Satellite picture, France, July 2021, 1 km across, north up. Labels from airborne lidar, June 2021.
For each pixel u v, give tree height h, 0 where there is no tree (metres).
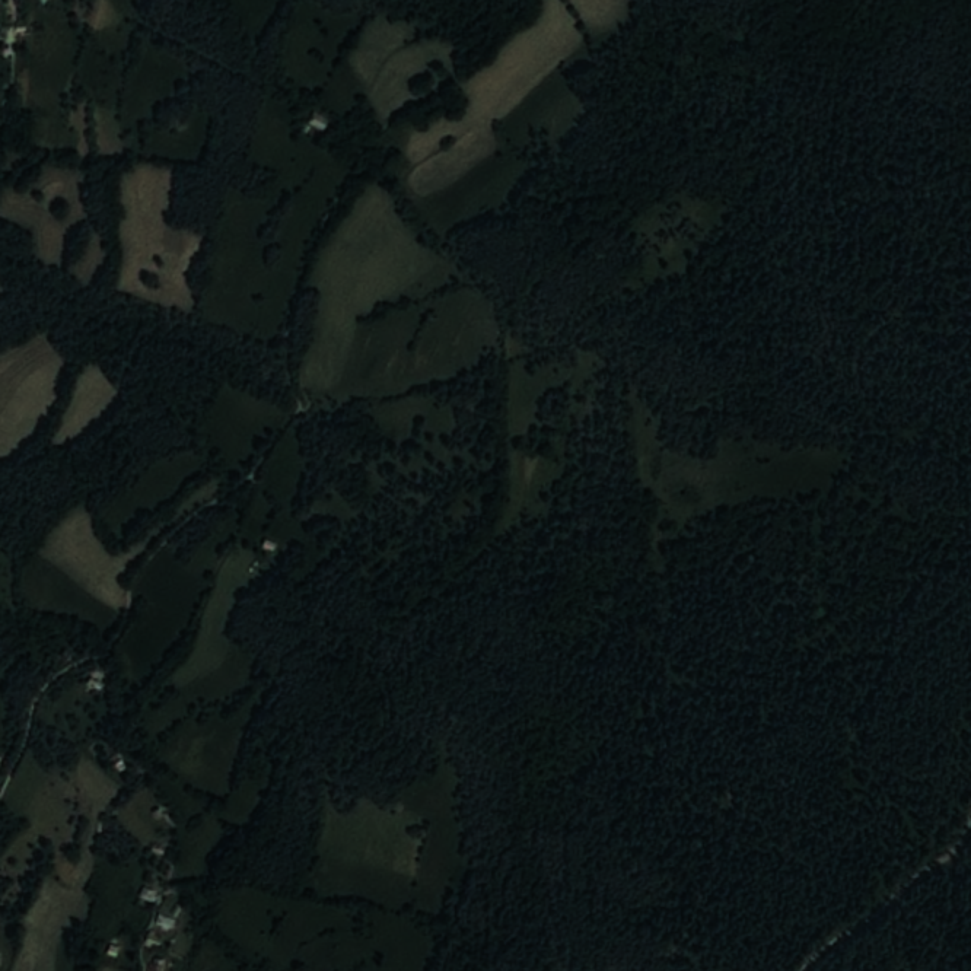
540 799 12
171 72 0
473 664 27
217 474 11
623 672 30
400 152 14
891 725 21
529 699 30
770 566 16
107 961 0
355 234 0
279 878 16
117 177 19
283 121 0
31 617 11
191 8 18
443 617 17
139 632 0
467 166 0
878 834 22
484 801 11
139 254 0
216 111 14
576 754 10
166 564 0
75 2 12
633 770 21
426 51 0
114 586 0
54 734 12
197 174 20
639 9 13
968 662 18
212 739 0
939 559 15
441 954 17
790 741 19
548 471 0
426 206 0
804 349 9
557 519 12
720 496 0
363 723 25
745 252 17
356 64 0
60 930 0
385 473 15
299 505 12
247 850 20
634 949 18
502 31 14
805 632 25
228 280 0
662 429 7
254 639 16
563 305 14
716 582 17
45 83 0
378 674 16
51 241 0
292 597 26
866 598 16
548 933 17
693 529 14
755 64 23
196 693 0
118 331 18
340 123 15
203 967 0
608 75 19
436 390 12
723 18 22
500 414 15
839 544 13
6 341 17
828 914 20
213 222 16
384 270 0
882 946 27
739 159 24
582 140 21
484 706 23
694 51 19
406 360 0
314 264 9
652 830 19
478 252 17
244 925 0
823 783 15
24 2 10
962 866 25
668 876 14
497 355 13
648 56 7
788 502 11
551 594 22
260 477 13
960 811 13
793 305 20
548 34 0
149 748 18
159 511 10
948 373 19
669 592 8
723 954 20
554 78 0
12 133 15
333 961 0
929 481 16
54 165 13
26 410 0
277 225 12
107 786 0
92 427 9
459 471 12
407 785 10
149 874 6
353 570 20
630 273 18
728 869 20
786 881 25
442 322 0
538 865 13
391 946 0
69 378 23
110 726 15
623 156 20
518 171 0
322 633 23
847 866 22
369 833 0
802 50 13
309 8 0
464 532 7
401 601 12
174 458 11
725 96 19
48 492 18
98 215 18
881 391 18
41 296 22
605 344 17
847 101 16
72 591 0
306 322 17
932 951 25
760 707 21
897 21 12
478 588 19
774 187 18
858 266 25
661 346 15
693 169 19
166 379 22
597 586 9
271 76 11
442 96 13
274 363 13
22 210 0
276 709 23
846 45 14
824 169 14
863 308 14
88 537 0
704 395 8
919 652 21
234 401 0
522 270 18
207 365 15
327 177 0
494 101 0
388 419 0
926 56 13
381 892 0
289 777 17
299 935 0
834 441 14
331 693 22
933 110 15
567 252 18
